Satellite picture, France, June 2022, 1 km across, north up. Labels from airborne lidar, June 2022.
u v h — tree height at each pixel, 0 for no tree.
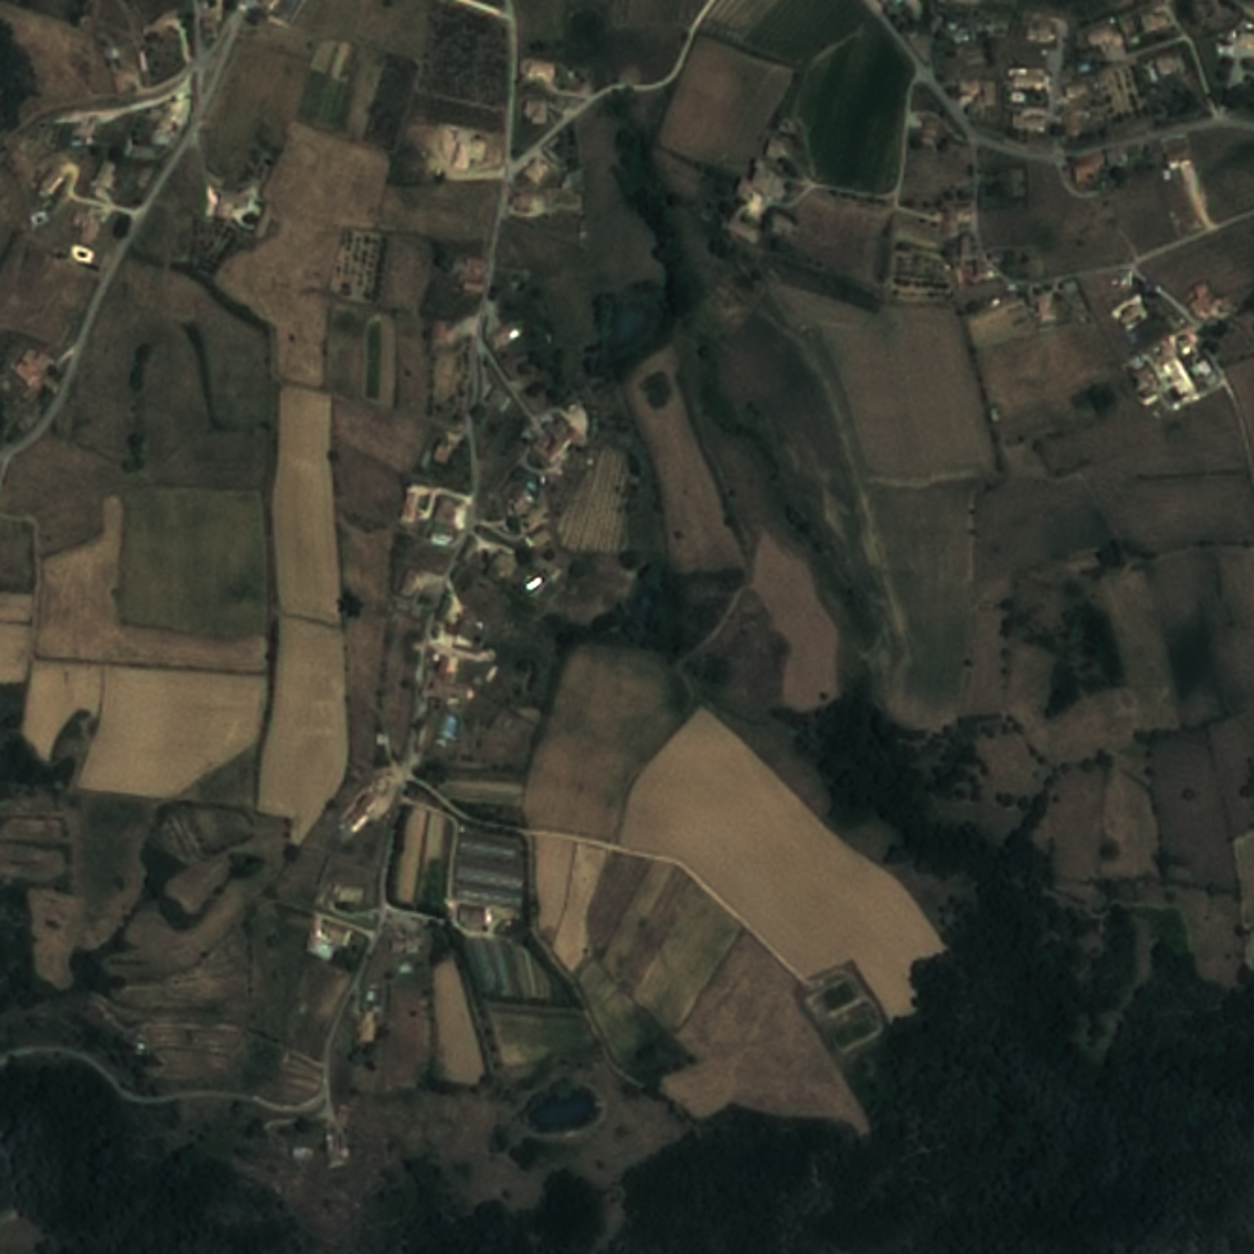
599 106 0
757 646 0
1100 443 0
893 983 0
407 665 0
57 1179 16
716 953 0
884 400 0
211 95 0
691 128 0
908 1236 6
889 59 0
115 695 0
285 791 0
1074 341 0
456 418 6
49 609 0
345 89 0
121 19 0
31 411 0
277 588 0
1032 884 9
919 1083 14
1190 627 0
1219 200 0
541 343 0
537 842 0
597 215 0
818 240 0
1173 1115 17
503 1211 11
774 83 0
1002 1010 7
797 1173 9
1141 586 0
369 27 0
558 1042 0
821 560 0
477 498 0
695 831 0
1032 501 0
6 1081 15
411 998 0
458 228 0
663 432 0
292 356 0
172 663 0
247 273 0
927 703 0
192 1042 0
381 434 0
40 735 0
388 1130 0
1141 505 0
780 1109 0
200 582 0
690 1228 8
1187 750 0
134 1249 17
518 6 0
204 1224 8
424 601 0
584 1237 6
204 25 0
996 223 0
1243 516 0
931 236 0
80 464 0
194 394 0
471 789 0
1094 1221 17
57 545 0
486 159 0
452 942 7
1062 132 8
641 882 0
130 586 0
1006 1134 18
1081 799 0
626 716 0
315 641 0
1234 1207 12
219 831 0
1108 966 8
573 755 0
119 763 0
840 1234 8
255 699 0
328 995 0
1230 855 0
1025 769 0
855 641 0
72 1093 13
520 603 7
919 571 0
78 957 6
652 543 0
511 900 0
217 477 0
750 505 0
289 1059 0
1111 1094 14
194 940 0
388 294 0
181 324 0
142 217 0
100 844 0
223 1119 0
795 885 0
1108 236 0
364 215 0
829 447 0
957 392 0
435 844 0
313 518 0
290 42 0
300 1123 9
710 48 0
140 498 0
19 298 0
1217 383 0
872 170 0
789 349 0
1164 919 8
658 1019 0
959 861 6
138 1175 6
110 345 0
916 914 0
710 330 0
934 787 9
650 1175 8
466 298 0
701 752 0
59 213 0
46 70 0
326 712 0
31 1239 0
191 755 0
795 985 0
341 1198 0
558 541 0
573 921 0
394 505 0
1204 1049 9
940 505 0
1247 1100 20
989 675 0
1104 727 0
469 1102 0
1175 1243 12
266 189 0
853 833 0
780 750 0
